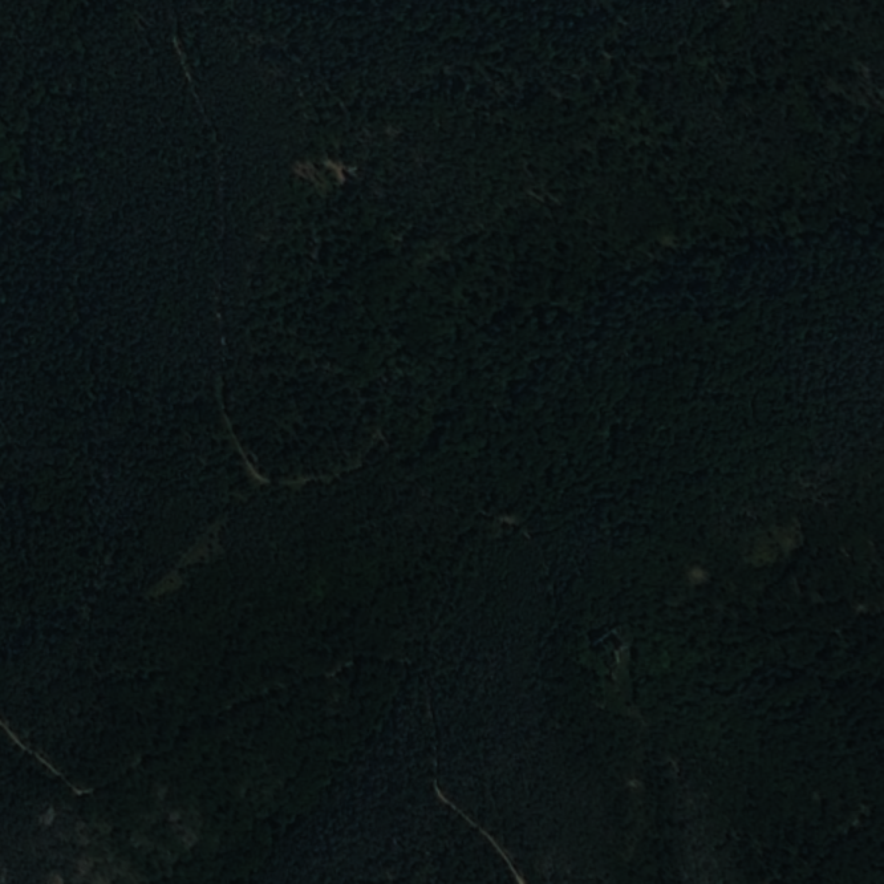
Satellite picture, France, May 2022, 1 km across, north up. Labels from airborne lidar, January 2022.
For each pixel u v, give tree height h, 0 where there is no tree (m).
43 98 27
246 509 8
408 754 14
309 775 24
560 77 28
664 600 19
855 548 22
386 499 12
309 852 11
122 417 21
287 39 26
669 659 18
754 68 7
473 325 31
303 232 16
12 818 18
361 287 26
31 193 23
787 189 10
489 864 16
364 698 23
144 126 23
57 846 15
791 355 24
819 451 16
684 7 21
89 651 16
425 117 19
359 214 28
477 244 21
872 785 21
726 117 22
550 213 24
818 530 20
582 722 8
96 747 12
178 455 21
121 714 19
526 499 9
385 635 19
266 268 17
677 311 27
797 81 12
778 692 26
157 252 22
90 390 7
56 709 17
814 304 25
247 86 16
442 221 24
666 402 26
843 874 23
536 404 30
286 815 33
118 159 24
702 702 23
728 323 26
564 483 12
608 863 14
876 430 17
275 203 9
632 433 28
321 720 20
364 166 14
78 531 20
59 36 27
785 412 22
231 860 30
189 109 22
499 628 12
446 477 21
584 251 18
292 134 17
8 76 29
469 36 31
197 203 18
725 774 23
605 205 23
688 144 23
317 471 14
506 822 11
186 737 25
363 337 27
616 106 32
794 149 14
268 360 6
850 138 16
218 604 11
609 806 6
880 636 20
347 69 27
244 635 13
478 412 28
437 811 18
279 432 15
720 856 14
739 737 23
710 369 25
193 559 0
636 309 27
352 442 21
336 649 20
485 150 23
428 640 16
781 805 24
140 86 20
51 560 7
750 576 9
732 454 21
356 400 22
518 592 10
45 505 11
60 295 27
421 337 25
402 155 22
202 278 16
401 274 29
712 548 19
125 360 19
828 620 15
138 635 9
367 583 11
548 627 8
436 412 9
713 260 31
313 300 22
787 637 23
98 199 25
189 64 8
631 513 23
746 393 21
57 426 20
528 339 27
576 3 28
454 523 8
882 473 20
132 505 23
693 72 22
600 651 19
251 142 21
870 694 29
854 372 25
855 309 25
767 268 35
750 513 13
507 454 26
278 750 20
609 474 27
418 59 28
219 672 20
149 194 22
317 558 10
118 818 13
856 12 9
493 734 7
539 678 16
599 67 24
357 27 29
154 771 15
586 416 25
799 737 30
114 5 23
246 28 23
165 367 15
